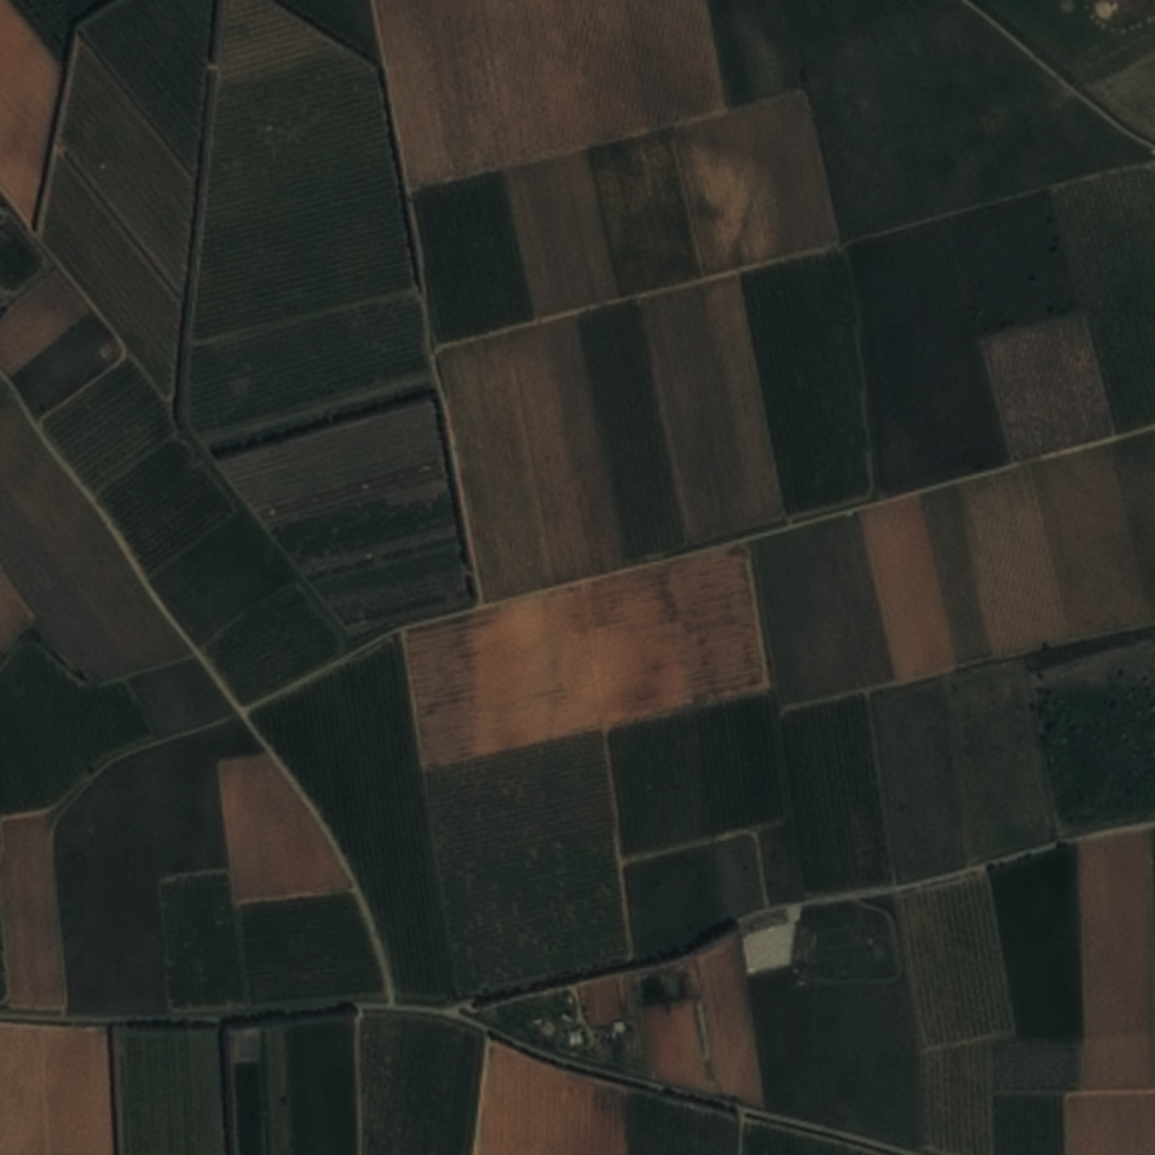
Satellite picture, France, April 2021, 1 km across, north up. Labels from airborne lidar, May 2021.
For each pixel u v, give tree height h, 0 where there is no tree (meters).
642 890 0
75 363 0
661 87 0
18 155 0
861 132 0
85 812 0
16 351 0
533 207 0
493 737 0
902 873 0
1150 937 0
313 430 10
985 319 0
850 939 0
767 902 0
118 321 0
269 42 0
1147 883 0
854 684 0
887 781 0
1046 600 0
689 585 0
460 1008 0
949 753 0
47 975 0
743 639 0
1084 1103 0
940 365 0
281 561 0
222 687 0
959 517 0
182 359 7
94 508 0
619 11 0
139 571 0
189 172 6
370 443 0
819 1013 0
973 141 0
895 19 0
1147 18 0
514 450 0
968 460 0
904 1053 0
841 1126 0
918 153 0
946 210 0
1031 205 0
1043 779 0
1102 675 0
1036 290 0
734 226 0
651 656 0
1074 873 0
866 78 0
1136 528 0
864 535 0
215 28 7
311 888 0
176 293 6
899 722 0
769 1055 0
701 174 0
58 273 0
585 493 0
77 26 7
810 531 0
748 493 0
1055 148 0
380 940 0
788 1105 0
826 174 0
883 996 0
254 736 0
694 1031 0
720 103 0
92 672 0
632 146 0
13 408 0
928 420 0
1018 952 0
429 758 0
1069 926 0
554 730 0
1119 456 0
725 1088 0
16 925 0
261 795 0
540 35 0
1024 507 0
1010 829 0
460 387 0
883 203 0
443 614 0
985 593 0
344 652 0
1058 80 0
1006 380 0
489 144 0
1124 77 0
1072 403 0
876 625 0
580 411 0
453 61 0
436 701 0
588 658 0
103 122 0
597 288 0
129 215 0
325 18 0
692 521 0
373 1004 0
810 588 0
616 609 0
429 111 0
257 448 10
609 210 0
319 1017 9
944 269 0
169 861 0
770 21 0
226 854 0
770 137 0
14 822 0
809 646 0
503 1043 9
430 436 0
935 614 0
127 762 0
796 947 0
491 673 0
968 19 0
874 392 0
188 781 0
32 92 0
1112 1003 0
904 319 0
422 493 0
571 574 0
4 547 0
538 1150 0
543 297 0
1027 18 0
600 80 0
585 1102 0
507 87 0
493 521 0
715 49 0
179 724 0
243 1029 10
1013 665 0
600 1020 0
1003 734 0
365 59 10
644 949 0
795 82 0
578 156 0
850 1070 0
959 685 0
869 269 0
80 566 0
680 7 0
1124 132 0
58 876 0
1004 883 0
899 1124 0
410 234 11
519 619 0
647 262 0
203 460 0
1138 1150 0
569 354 0
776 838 0
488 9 0
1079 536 0
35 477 0
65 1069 0
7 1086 0
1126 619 0
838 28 0
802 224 0
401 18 0
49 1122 0
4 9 0
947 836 0
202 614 0
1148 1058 0
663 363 0
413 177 0
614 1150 0
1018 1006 0
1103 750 0
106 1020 0
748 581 0
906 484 0
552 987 9
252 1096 0
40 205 6
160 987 0
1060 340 0
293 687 0
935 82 0
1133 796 6
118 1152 7
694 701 0
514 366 0
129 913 0
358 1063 0
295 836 0
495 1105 0
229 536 0
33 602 0
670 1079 0
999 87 0
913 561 0
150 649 0
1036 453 0
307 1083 0
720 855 0
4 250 0
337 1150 0
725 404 0
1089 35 0
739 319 0
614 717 0
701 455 0
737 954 0
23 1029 0
